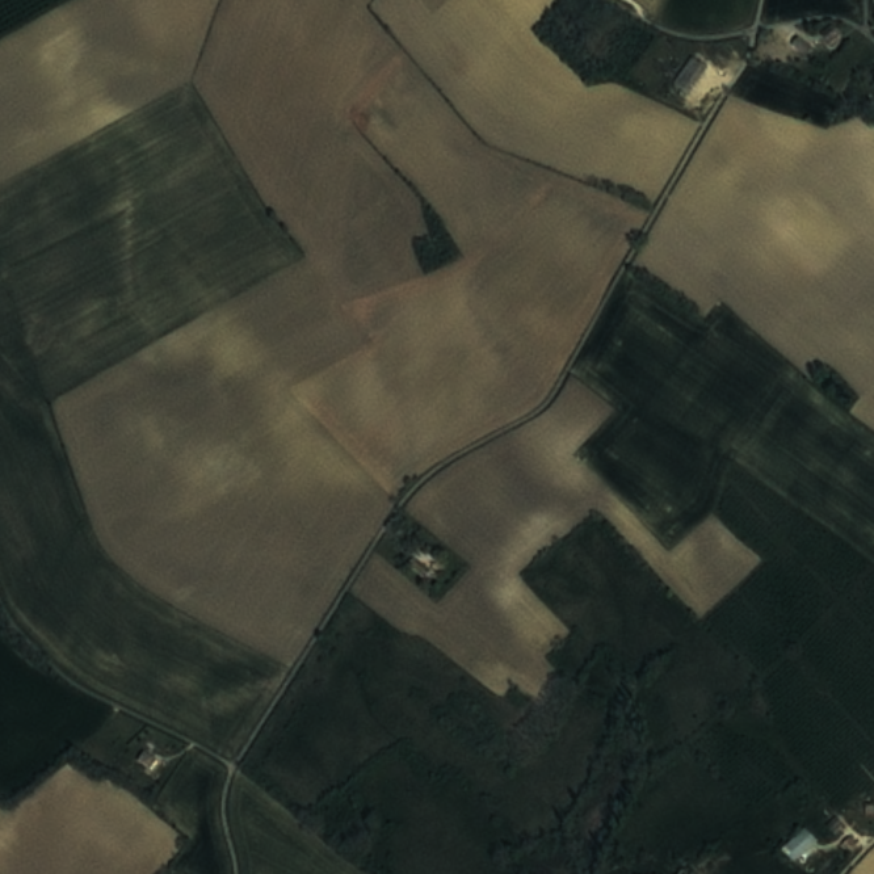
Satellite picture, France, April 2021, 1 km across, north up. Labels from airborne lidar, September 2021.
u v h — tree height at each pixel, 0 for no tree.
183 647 0
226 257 0
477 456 0
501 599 0
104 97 0
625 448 0
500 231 0
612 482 0
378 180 0
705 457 0
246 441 0
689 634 0
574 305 0
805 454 0
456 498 0
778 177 0
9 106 0
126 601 0
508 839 0
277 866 0
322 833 20
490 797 8
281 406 0
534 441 0
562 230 0
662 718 0
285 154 0
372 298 0
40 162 0
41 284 0
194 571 0
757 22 0
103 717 0
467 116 0
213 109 0
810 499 0
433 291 0
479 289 0
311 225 0
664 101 0
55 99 0
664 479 0
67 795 0
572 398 0
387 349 0
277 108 0
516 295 0
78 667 0
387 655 0
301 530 0
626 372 0
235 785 0
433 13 0
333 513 0
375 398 0
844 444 0
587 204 0
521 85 0
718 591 0
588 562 0
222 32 0
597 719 0
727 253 0
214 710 0
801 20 0
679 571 0
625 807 14
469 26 0
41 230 0
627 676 18
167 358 0
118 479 0
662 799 0
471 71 0
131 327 0
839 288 0
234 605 0
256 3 0
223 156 0
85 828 0
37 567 0
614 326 0
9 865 0
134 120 0
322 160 0
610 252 0
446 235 9
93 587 0
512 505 0
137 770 0
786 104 0
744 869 0
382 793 0
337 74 0
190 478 0
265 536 0
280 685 0
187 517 0
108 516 0
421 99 0
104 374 0
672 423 0
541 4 0
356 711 0
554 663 6
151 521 0
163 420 0
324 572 0
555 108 0
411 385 0
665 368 0
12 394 0
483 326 0
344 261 0
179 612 0
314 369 0
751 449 0
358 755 0
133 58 0
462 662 0
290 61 0
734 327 0
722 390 0
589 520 5
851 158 0
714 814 0
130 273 0
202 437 0
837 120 14
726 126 0
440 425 0
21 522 0
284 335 0
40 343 0
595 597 0
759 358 0
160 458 0
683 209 0
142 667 0
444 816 0
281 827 0
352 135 0
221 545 0
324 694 0
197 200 0
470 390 0
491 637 0
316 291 0
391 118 0
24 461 0
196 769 0
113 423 0
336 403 0
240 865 0
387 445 0
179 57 0
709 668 0
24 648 17
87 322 0
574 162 0
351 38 0
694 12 0
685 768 0
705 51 0
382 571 0
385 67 0
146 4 0
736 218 0
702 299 0
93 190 0
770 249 0
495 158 0
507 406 0
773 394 0
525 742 17
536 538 0
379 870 8
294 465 0
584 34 12
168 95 0
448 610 0
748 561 0
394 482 0
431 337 0
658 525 0
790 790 7
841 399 9
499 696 0
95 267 0
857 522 0
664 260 0
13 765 0
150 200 0
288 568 0
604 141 0
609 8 18
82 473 0
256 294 0
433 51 0
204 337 0
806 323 0
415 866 0
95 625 0
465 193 0
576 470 0
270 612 0
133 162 0
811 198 0
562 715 19
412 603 0
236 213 0
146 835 0
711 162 0
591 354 0
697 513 0
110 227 0
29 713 0
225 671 0
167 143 0
